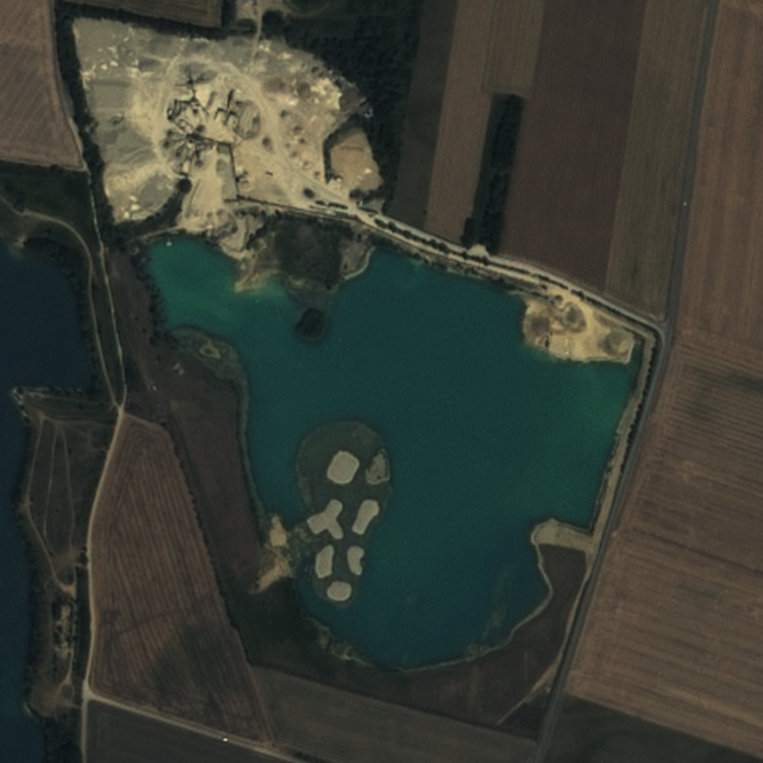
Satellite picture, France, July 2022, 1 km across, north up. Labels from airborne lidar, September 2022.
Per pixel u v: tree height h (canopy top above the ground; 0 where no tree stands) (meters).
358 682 0
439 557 0
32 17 0
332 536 0
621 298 0
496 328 0
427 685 0
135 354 0
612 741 0
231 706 0
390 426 0
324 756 0
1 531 0
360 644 0
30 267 0
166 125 0
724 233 0
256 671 0
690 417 0
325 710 0
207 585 0
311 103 0
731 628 0
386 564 0
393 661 0
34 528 0
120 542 0
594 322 0
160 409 0
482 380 0
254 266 0
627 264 0
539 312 0
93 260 0
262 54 0
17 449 0
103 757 0
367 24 11
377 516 0
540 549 0
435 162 0
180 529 0
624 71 0
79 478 0
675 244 0
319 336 9
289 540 0
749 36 0
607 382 0
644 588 0
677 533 0
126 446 0
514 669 0
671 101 0
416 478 0
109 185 0
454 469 0
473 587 0
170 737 0
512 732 0
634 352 0
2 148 0
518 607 0
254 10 0
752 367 0
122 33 0
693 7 0
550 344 0
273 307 0
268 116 0
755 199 0
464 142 0
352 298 0
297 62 0
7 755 0
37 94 0
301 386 0
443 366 0
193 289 0
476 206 0
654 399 0
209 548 8
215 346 0
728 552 0
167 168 0
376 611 0
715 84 0
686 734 0
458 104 0
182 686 0
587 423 0
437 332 0
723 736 0
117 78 0
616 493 0
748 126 0
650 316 0
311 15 0
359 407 0
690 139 0
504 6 0
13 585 0
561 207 0
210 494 0
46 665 0
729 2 0
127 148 0
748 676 0
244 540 0
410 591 0
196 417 0
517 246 0
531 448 0
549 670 0
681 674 0
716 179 0
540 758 0
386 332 0
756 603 0
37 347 0
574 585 0
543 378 0
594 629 0
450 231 0
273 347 0
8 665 0
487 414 0
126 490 0
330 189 0
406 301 0
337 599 0
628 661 0
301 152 0
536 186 0
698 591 0
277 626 0
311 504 0
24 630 0
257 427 0
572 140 0
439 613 0
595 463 0
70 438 0
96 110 0
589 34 0
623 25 0
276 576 0
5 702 0
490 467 0
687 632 0
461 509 0
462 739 0
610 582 0
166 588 0
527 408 0
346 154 0
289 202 0
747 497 0
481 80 0
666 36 0
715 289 0
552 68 0
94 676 0
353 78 18
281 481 0
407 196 0
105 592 0
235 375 0
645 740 0
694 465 0
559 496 0
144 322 0
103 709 0
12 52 0
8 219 0
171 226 0
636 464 0
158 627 0
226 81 0
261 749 0
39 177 0
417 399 0
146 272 14
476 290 0
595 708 0
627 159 0
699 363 0
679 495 0
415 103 0
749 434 0
